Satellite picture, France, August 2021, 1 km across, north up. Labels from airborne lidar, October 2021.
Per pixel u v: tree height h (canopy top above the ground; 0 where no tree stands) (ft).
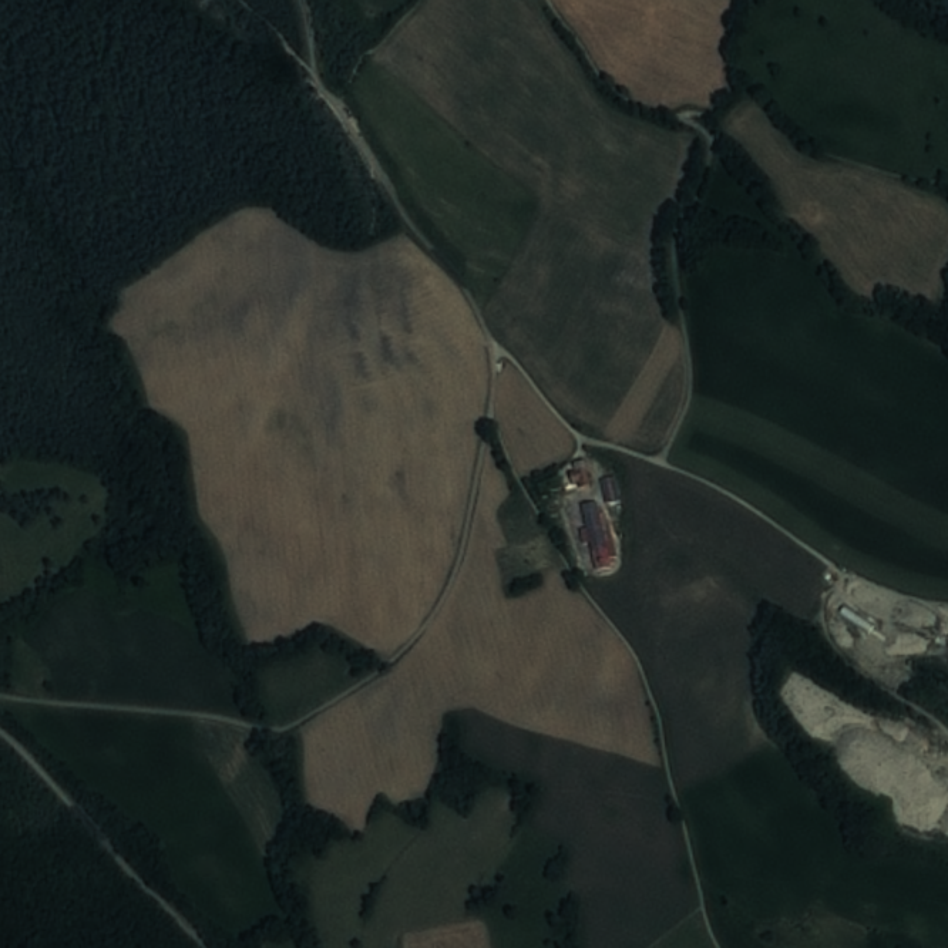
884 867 0
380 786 0
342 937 0
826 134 0
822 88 0
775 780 0
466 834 0
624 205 0
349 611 0
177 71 52
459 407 0
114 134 60
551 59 0
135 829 58
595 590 0
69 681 0
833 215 0
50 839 59
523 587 33
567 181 0
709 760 0
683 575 0
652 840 0
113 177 63
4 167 35
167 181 60
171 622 0
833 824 0
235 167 52
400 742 0
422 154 0
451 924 0
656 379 0
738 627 0
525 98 0
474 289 0
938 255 0
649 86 0
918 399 0
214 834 0
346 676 0
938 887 0
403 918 0
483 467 0
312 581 0
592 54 0
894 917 0
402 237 0
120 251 65
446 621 0
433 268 0
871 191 0
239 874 0
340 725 0
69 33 57
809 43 0
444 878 0
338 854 0
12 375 23
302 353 0
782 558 0
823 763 32
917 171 0
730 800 0
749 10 59
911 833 0
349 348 0
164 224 66
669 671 0
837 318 0
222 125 55
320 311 0
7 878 70
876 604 0
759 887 0
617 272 0
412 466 0
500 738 0
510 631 0
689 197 62
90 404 31
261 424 0
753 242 47
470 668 0
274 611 0
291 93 50
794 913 0
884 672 0
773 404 0
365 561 0
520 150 0
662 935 0
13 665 19
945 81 0
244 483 0
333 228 50
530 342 0
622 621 0
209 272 0
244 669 46
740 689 0
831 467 0
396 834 0
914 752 0
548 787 0
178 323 0
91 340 34
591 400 0
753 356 0
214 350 0
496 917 0
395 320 0
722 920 0
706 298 0
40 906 70
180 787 0
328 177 39
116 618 0
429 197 0
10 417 30
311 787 0
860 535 0
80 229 56
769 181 56
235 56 79
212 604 52
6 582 0
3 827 53
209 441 0
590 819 0
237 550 0
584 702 0
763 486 0
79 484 0
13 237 25
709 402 0
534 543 0
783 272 0
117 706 0
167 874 61
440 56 0
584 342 0
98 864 53
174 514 49
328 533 0
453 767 36
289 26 33
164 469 48
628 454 0
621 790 0
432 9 0
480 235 0
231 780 0
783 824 0
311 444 0
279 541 0
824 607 0
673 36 0
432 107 0
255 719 57
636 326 0
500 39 0
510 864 0
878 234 0
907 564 0
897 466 0
